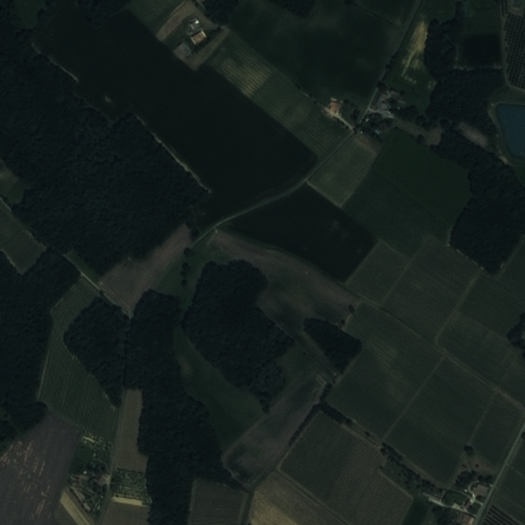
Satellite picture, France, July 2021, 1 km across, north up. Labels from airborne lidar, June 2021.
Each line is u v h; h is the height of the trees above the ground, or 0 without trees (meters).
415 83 0
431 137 0
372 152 0
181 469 24
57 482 0
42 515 0
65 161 21
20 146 22
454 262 0
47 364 0
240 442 0
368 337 0
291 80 0
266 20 0
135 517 0
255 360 18
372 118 6
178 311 15
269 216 0
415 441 0
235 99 0
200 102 0
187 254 13
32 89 27
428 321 0
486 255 18
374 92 0
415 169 0
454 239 15
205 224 0
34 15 0
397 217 0
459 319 0
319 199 0
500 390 0
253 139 0
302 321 0
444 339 0
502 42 0
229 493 0
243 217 0
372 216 0
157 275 0
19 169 22
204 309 24
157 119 0
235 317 21
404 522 0
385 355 0
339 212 0
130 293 0
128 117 13
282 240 0
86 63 0
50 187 22
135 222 20
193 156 0
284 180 0
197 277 0
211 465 23
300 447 0
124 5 16
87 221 18
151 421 20
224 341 16
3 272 16
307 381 0
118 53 0
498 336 0
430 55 20
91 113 17
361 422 0
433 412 0
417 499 0
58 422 0
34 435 0
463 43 0
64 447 0
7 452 0
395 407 0
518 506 0
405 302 0
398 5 0
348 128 5
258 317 18
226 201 0
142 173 28
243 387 24
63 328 0
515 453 0
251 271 18
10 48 25
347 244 0
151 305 24
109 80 0
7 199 9
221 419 0
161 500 23
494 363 0
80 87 0
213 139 0
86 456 0
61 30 0
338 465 0
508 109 0
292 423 0
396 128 6
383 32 0
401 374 0
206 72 0
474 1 0
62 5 0
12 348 18
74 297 0
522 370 0
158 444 20
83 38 0
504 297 0
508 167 24
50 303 13
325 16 0
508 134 0
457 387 0
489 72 18
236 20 0
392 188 0
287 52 0
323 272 0
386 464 0
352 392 0
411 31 0
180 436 21
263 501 0
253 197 0
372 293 0
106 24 0
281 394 0
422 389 0
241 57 0
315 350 0
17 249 0
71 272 16
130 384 16
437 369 0
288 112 0
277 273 0
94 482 9
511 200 24
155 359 19
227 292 23
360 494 0
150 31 0
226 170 0
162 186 22
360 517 0
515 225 22
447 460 0
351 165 0
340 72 0
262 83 0
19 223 0
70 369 0
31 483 0
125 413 0
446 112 14
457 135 22
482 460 0
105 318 20
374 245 0
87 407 0
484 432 0
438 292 0
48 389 0
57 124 23
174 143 0
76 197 14
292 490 0
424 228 0
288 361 0
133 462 0
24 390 20
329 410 14
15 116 26
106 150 24
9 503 0
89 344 20
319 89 0
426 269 0
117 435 0
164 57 0
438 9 0
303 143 0
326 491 0
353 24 0
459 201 0
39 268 13
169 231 22
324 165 0
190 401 17
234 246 0
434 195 0
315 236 0
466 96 23
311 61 0
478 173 20
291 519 0
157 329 27
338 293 0
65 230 18
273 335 20
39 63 23
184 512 13
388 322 0
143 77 0
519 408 0
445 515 8
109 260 23
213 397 0
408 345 0
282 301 0
